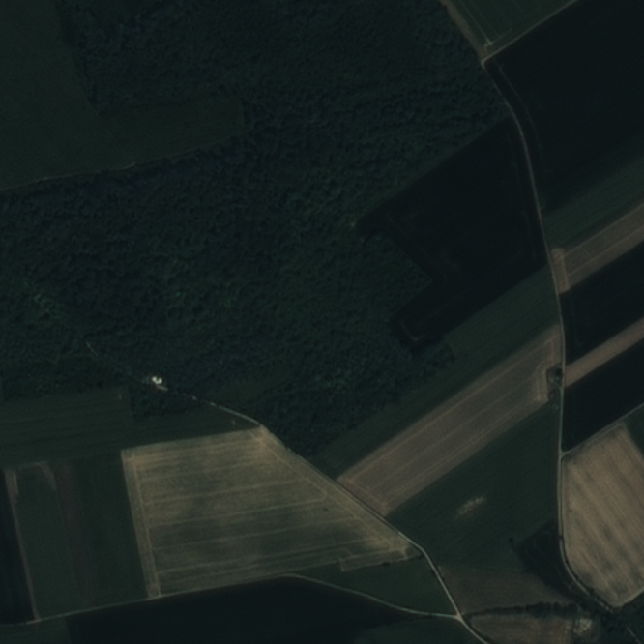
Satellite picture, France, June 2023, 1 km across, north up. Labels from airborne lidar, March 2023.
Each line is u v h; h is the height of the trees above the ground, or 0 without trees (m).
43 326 16
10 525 0
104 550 0
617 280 0
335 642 0
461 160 0
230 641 0
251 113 17
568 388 0
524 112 0
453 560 0
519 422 0
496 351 0
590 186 0
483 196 0
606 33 0
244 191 23
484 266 0
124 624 0
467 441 0
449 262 0
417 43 12
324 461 0
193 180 22
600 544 0
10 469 0
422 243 0
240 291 14
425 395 0
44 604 0
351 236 8
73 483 0
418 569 0
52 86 0
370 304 11
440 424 0
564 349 0
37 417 0
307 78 8
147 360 15
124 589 0
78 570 0
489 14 0
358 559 0
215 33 11
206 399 6
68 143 0
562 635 0
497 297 0
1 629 0
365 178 21
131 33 21
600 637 0
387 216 0
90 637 0
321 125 20
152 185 18
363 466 0
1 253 17
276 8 16
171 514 0
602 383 0
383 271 9
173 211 17
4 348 13
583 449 0
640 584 0
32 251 17
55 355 13
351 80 9
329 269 16
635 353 0
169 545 0
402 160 18
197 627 0
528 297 0
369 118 14
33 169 0
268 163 22
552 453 0
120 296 17
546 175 0
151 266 12
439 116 10
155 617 0
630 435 0
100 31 21
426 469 0
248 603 0
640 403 0
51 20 0
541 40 0
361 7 9
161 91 9
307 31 12
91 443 0
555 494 0
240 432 0
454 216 0
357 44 12
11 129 0
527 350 0
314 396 16
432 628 0
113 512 0
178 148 0
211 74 22
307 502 0
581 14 0
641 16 0
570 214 0
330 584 0
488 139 0
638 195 0
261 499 0
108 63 22
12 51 0
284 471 0
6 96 0
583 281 0
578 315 0
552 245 0
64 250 18
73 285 23
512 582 0
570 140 0
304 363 13
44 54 0
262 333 19
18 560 0
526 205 0
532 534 0
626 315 0
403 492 0
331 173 10
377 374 19
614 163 0
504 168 0
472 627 0
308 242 17
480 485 0
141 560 0
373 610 0
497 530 0
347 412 15
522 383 0
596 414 0
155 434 0
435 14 26
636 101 0
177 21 21
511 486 0
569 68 0
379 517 0
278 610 0
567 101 0
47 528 0
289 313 9
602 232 0
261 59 10
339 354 6
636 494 0
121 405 0
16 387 7
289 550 0
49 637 0
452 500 0
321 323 12
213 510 0
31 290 8
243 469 0
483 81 8
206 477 0
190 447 0
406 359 20
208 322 16
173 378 12
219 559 0
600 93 0
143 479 0
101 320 16
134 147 0
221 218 20
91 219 23
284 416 19
